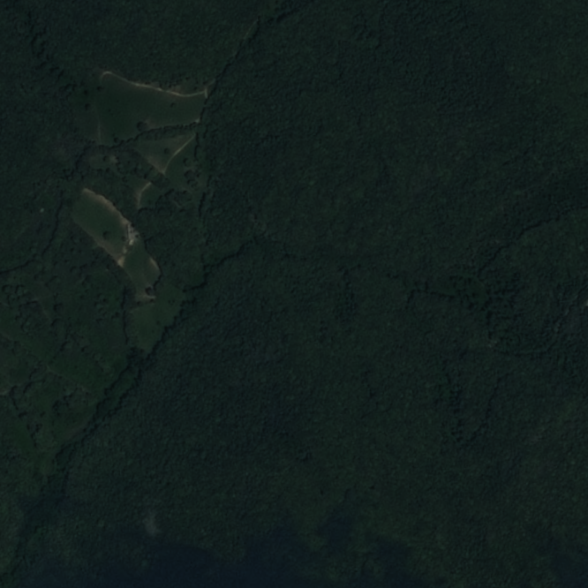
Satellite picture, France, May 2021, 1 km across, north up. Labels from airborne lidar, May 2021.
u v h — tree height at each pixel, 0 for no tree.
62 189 11
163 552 10
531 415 9
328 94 10
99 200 0
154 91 0
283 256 17
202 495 11
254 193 10
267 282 14
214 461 9
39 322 12
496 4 14
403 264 16
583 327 8
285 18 18
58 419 7
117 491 10
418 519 14
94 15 7
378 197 6
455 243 10
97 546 9
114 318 9
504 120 9
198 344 14
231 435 9
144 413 12
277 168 8
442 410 20
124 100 0
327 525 11
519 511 8
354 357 17
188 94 0
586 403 9
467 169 9
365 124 10
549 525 10
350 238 13
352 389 20
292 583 12
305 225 12
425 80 10
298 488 13
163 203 13
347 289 7
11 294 9
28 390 14
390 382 12
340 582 10
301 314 10
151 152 0
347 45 7
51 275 12
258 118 9
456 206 14
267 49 12
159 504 9
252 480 7
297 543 13
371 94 9
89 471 17
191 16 13
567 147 12
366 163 11
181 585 13
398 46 8
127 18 9
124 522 9
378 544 12
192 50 11
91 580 18
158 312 0
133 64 9
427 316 15
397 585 9
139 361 31
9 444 16
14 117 12
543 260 12
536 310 15
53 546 13
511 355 16
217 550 9
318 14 11
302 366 12
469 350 15
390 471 18
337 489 16
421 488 10
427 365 14
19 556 18
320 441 16
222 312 10
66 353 18
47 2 11
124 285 15
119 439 16
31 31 8
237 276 9
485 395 17
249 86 8
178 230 14
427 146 6
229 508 11
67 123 9
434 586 9
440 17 10
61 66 14
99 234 0
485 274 16
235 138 10
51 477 12
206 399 13
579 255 10
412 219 16
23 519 11
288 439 14
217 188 8
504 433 13
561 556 10
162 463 9
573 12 13
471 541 14
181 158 0
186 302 13
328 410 14
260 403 12
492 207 10
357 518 12
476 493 17
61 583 10
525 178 10
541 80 12
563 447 13
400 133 8
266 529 9
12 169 11
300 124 10
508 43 18
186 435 11
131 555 9
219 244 16
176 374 18
